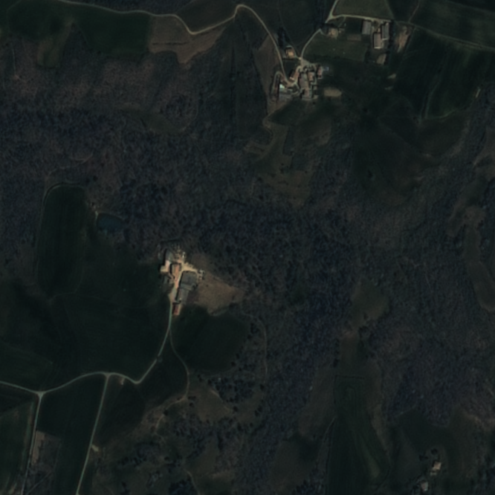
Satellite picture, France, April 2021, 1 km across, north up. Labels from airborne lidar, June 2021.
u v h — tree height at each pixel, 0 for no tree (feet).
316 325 56
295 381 29
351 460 0
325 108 0
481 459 48
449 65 0
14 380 0
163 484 0
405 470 0
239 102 0
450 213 50
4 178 64
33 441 0
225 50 0
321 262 33
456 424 0
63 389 0
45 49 0
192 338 0
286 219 52
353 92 0
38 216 23
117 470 0
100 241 0
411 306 50
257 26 0
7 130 39
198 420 43
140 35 0
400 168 0
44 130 54
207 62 35
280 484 0
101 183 20
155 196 39
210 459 0
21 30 0
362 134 0
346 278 50
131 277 0
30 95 17
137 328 0
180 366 0
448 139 0
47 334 0
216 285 0
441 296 23
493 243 0
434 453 30
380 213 28
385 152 0
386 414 48
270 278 34
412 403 33
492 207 43
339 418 0
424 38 0
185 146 44
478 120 31
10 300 0
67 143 70
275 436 27
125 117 58
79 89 33
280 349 31
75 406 0
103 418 0
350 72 0
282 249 47
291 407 29
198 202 54
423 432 0
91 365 0
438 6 0
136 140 45
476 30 0
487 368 77
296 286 43
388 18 0
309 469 0
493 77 0
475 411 51
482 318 23
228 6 0
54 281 0
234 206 60
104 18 0
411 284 43
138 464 30
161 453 56
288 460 0
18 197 32
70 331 0
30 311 0
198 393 0
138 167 45
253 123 0
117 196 55
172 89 26
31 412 0
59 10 0
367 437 0
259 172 0
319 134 0
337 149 19
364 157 0
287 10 0
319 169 48
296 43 0
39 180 36
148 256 45
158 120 0
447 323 49
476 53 0
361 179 0
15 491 20
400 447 0
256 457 55
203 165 58
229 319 0
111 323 0
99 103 51
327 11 24
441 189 55
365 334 62
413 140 0
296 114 0
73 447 0
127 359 0
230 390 31
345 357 0
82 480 0
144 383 0
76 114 77
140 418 0
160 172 42
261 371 23
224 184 55
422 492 22
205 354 0
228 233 42
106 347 0
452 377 62
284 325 59
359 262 59
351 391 0
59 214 0
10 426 0
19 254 31
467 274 26
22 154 42
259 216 34
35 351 0
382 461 0
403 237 47
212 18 0
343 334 29
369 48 23
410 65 0
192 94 39
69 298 0
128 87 21
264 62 0
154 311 0
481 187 0
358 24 0
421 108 0
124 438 0
